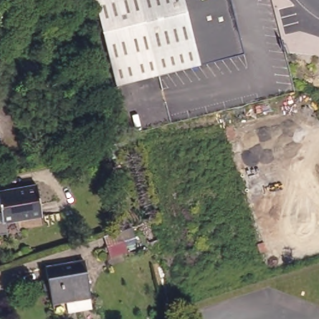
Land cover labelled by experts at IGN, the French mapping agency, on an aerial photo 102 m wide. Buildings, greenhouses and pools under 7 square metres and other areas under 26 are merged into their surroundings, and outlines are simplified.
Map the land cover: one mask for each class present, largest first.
<instances>
[{"label":"brushwood","instance_id":"1","mask_svg":"<svg viewBox=\"0 0 319 319\"><path fill-rule=\"evenodd\" d=\"M294 88L282 91L280 95L289 96V93H294L298 98L303 95L312 98L318 106L313 117L319 120V57L312 56L310 62L304 66H299L298 62L290 65ZM115 151L111 157L116 167L113 168L115 172L110 178L118 181L117 192L112 199L101 203V209L115 214V222H112V226L107 227L105 232L96 236V239H102L105 236L116 238L120 231L133 228L135 236L142 244L141 252H151L148 268L152 284H145V294L153 299L163 283L176 285L192 298L199 287V284L189 283L187 280L192 268L199 274L206 272L209 265L219 269L224 260L232 259H238L247 267L249 260L254 259L255 254L259 252V237L245 193V182L234 162L232 145L227 140L226 131L217 123L179 130L168 128L166 131H162L158 126L148 130H138L136 125L127 127H123L122 141L113 143ZM25 135L22 147L24 157L29 161L24 171L49 169L62 187H90L98 164L85 169L72 167L71 158L66 152L55 158L49 153L41 156L42 148L49 142L50 132L34 131L30 127L20 128ZM25 243H20L19 247L12 249L0 247V274L19 265L25 267L31 260L39 263L49 260L47 257L50 254L61 253L69 248L66 244L36 254L34 250H30L29 253L22 255H19V252L26 248ZM92 257L100 258L103 262L102 270L106 272L111 267L107 245L102 244L92 249ZM297 264L288 267L283 263L275 265L274 269V274H284L319 262V253L297 258ZM12 298L6 297L2 298L0 304V319H20L15 310L10 307Z\"/></svg>","mask_w":319,"mask_h":319},{"label":"deciduous trees","instance_id":"2","mask_svg":"<svg viewBox=\"0 0 319 319\"><path fill-rule=\"evenodd\" d=\"M101 5L97 0H0V111H4V103L10 105L9 117L12 128H20L30 127L34 131L50 132L49 142L42 148L41 156L49 153L55 158L66 152L71 158L72 167L85 169L98 164L103 157H111L115 151L113 143L122 141L123 127H127L130 118L128 111L123 108L125 97L118 86L103 35ZM11 146L4 142L0 146V184L5 186L20 177V173L24 171L29 161L24 157L16 156L9 150ZM118 181L110 178L96 194L100 197L101 203L112 199L117 192ZM75 231L79 232L77 237H71L70 242L66 244L69 248H86L90 240L96 239V236L93 228L82 219L75 227ZM40 282H34L9 284L6 297L12 298L10 307L15 310L17 307L32 308L37 299L41 300L46 297V293L41 290Z\"/></svg>","mask_w":319,"mask_h":319},{"label":"pervious surface","instance_id":"3","mask_svg":"<svg viewBox=\"0 0 319 319\"><path fill-rule=\"evenodd\" d=\"M282 40L287 47L285 57L290 65L298 62L299 66H304L310 62L312 56L319 57V36L303 31L285 35ZM231 108H213V112H216L214 117L217 123L226 131L227 140L232 145L234 162L245 182V193L259 237V252L263 254L264 262L274 269L275 265L283 263L288 267L297 264V258L319 253V120L313 117L318 106L312 98L303 95L298 98L294 93H289V96L280 95L262 101H258V97L245 98L243 102L229 106ZM10 105L4 103V111H0V146L4 142L11 146L9 150L16 156L24 157L22 147L25 135L20 128H12L9 117ZM20 177L32 178L37 183L41 216L45 217L60 214V208L69 204L67 193L62 191V187L49 169L24 171L20 173ZM102 244V239H96L90 240L86 248H69L61 253L50 254L47 257L49 260L81 255L85 260L88 280L95 285L102 270L103 262L100 258L92 257V249ZM39 263L31 260L25 267L19 265L0 274V304L2 298L6 297L9 284L34 282V279L39 277Z\"/></svg>","mask_w":319,"mask_h":319},{"label":"building","instance_id":"4","mask_svg":"<svg viewBox=\"0 0 319 319\"><path fill-rule=\"evenodd\" d=\"M101 5L103 35L118 86L191 69L201 65V62L204 65H211L214 62L243 56L245 49L232 0H97ZM37 183L32 178L20 177L5 186L0 184V236H5L9 224H16L20 228L41 227L42 219L45 217L41 216ZM102 244L107 245L111 267L130 259L136 253L135 248L142 244L135 236L133 228L120 231L116 238L105 236L102 239ZM39 277L34 279V282H40L41 290L46 293V297L41 300L46 319H101L100 315L93 314L91 310V294L95 285L88 280L85 260L81 255L49 260L39 263Z\"/></svg>","mask_w":319,"mask_h":319},{"label":"impervious surface","instance_id":"5","mask_svg":"<svg viewBox=\"0 0 319 319\"><path fill-rule=\"evenodd\" d=\"M245 49L243 56L214 62L211 65H204L201 62V65L191 69L118 86L125 97L123 108L128 111L130 118L127 127L136 125L138 130H148L158 126L213 112V108H231L229 106L243 102L245 98L258 97V101H262L280 95L282 91L294 88L290 65L285 57L287 47L282 40L285 35L303 31L319 36V0H232ZM203 319H319V305L305 302L279 290L263 288L199 310Z\"/></svg>","mask_w":319,"mask_h":319},{"label":"herbaceous vegetation","instance_id":"6","mask_svg":"<svg viewBox=\"0 0 319 319\"><path fill-rule=\"evenodd\" d=\"M216 112H213L158 126L162 131H166L168 128L179 130L217 123L214 117ZM116 167L111 157H103L98 164L90 187H62V191L67 193L69 204L60 208V214L45 217L42 219L41 227L20 228L16 224H9L5 236H0V247L12 249L19 247L20 243H25L26 248L19 252V255H22L29 253L30 250H34L36 254L66 244L70 242L71 237H77L79 232L75 231V227L82 219L93 228L96 236L105 232L107 227L112 226V222H115V214L101 209V203L100 197L96 194L110 178L115 172L113 168ZM142 244L135 248L136 253L130 259L111 267L106 272L102 270L95 285L91 294V310L93 314L100 315L101 319H168L167 310L173 302H179L181 299L199 310L263 288L279 290L305 302L319 305V262L284 274H274V269L264 262L263 254L259 252L255 254L254 259L249 260L247 267L238 259H232L224 260L219 269L209 265L206 272L199 274L192 268L187 280L189 283L199 284V287L192 298L176 285L163 283L153 299L145 294V284H152L148 268L151 252H141ZM20 319H46L41 300L37 299L32 308L17 307L15 310Z\"/></svg>","mask_w":319,"mask_h":319},{"label":"coniferous trees","instance_id":"7","mask_svg":"<svg viewBox=\"0 0 319 319\"><path fill-rule=\"evenodd\" d=\"M168 319H203L199 310L181 299L179 302H173L167 310Z\"/></svg>","mask_w":319,"mask_h":319}]
</instances>
